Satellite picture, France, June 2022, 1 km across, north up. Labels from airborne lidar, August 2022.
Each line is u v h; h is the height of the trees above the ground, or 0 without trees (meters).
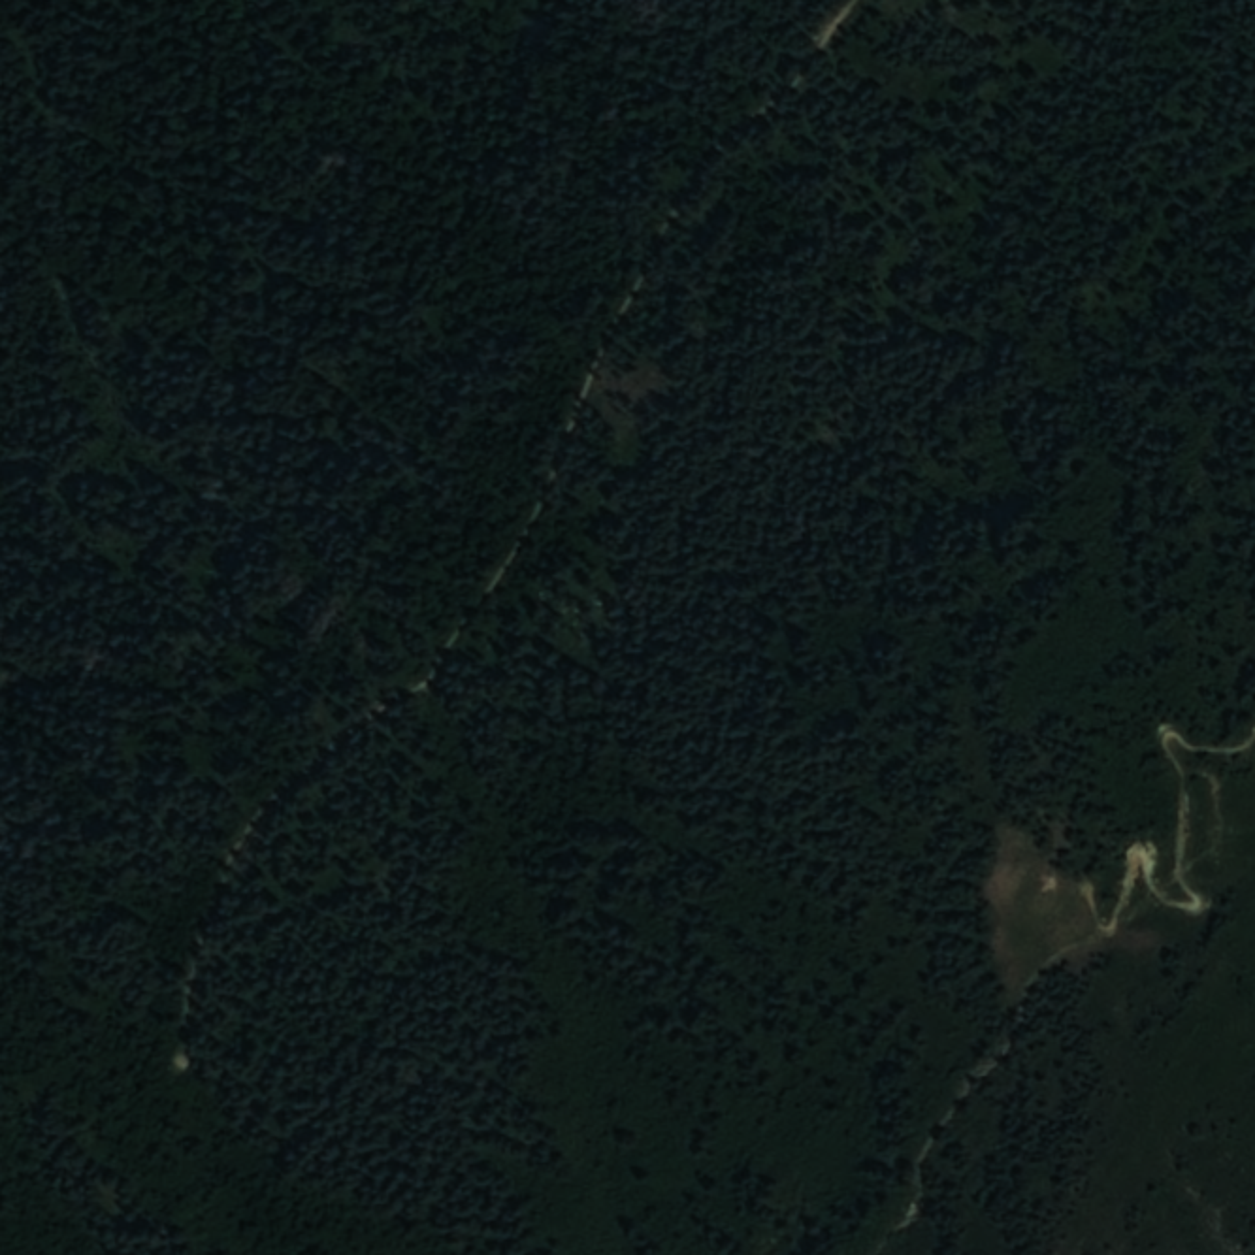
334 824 33
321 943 17
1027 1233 10
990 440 5
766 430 21
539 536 8
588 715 7
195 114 8
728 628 25
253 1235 9
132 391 12
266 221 32
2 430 9
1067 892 0
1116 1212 0
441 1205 10
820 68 27
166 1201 10
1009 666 18
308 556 6
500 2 6
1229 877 0
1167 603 8
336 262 28
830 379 28
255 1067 30
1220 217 11
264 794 9
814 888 23
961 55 26
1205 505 6
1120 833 14
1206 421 23
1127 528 14
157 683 10
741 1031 5
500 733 27
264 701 12
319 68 24
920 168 33
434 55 11
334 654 8
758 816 14
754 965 18
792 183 31
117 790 28
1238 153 23
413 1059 27
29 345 8
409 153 14
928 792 18
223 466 10
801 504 27
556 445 28
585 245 18
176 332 11
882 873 16
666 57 26
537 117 25
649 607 29
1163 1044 0
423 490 7
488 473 11
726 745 28
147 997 32
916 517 23
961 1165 12
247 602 32
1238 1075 0
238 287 27
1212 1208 0
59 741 12
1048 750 16
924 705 10
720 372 30
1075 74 9
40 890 31
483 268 12
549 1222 6
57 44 16
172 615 14
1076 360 7
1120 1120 0
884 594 8
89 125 31
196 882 10
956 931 11
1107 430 7
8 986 8
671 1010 6
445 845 26
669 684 29
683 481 28
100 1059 9
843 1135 6
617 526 27
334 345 29
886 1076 20
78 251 32
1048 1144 10
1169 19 12
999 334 6
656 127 9
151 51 20
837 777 25
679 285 19
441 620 12
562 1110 7
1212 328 33
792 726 14
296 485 25
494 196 20
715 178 28
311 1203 7
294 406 33
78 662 17
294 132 11
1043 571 7
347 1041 11
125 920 32
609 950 24
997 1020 17
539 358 6
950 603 25
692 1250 5
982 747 0
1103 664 6
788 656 6
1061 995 9
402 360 13
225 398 40
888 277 0
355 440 33
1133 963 0
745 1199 7
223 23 20
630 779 12
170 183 27
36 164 15
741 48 28
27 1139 7
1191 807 0
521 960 6
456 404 34
